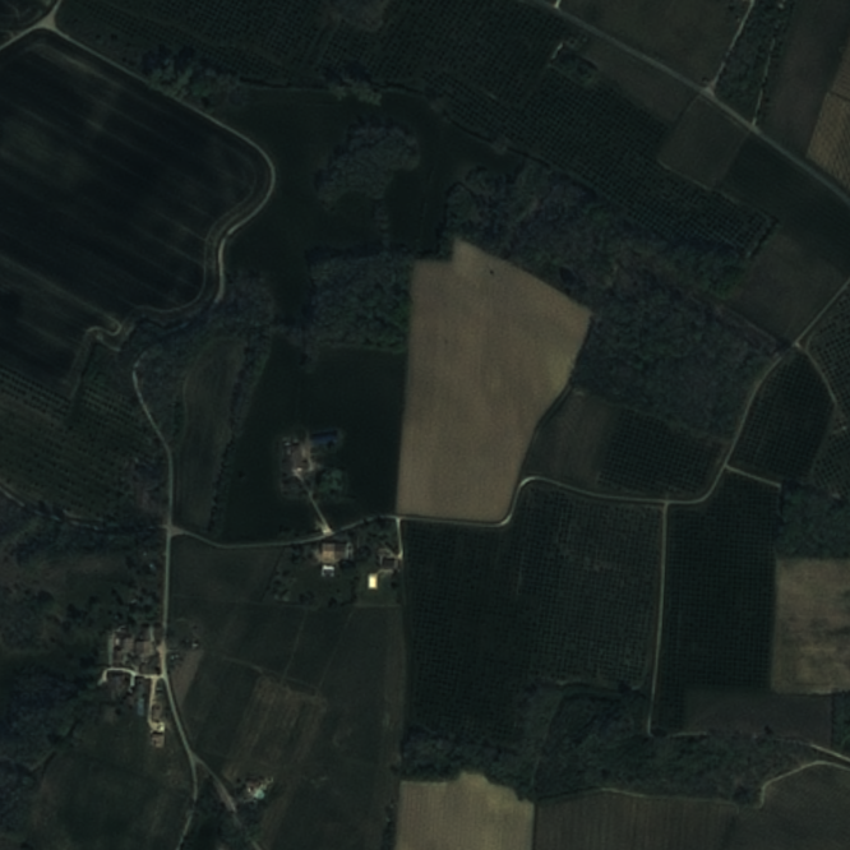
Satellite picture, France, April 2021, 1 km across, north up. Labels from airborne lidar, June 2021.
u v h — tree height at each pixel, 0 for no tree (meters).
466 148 0
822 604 0
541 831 0
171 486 13
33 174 0
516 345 0
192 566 0
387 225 13
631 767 7
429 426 0
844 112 0
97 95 0
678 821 0
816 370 0
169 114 0
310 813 0
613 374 16
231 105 0
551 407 0
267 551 0
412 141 19
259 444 0
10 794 14
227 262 0
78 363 0
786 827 0
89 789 0
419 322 0
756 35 7
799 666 0
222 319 16
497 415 0
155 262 0
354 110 0
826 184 0
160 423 18
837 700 14
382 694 0
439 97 20
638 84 0
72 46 0
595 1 0
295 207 0
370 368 0
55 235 0
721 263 23
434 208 0
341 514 0
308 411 0
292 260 0
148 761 0
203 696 0
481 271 0
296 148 0
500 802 0
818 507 20
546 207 18
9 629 18
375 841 0
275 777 0
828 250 0
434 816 0
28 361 0
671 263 26
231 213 0
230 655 0
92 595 0
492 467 0
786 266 0
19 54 0
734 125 0
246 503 0
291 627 0
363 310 19
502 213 17
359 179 17
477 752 18
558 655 6
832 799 0
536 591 6
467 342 0
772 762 14
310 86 10
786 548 20
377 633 0
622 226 19
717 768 11
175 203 0
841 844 0
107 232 0
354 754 0
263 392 0
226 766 0
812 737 0
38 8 0
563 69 7
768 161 0
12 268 0
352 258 14
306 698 0
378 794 0
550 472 0
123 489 7
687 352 22
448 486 0
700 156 0
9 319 0
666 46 0
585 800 0
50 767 0
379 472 0
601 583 5
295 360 0
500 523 0
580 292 16
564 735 12
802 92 0
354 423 0
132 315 0
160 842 0
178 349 16
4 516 11
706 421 21
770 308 0
